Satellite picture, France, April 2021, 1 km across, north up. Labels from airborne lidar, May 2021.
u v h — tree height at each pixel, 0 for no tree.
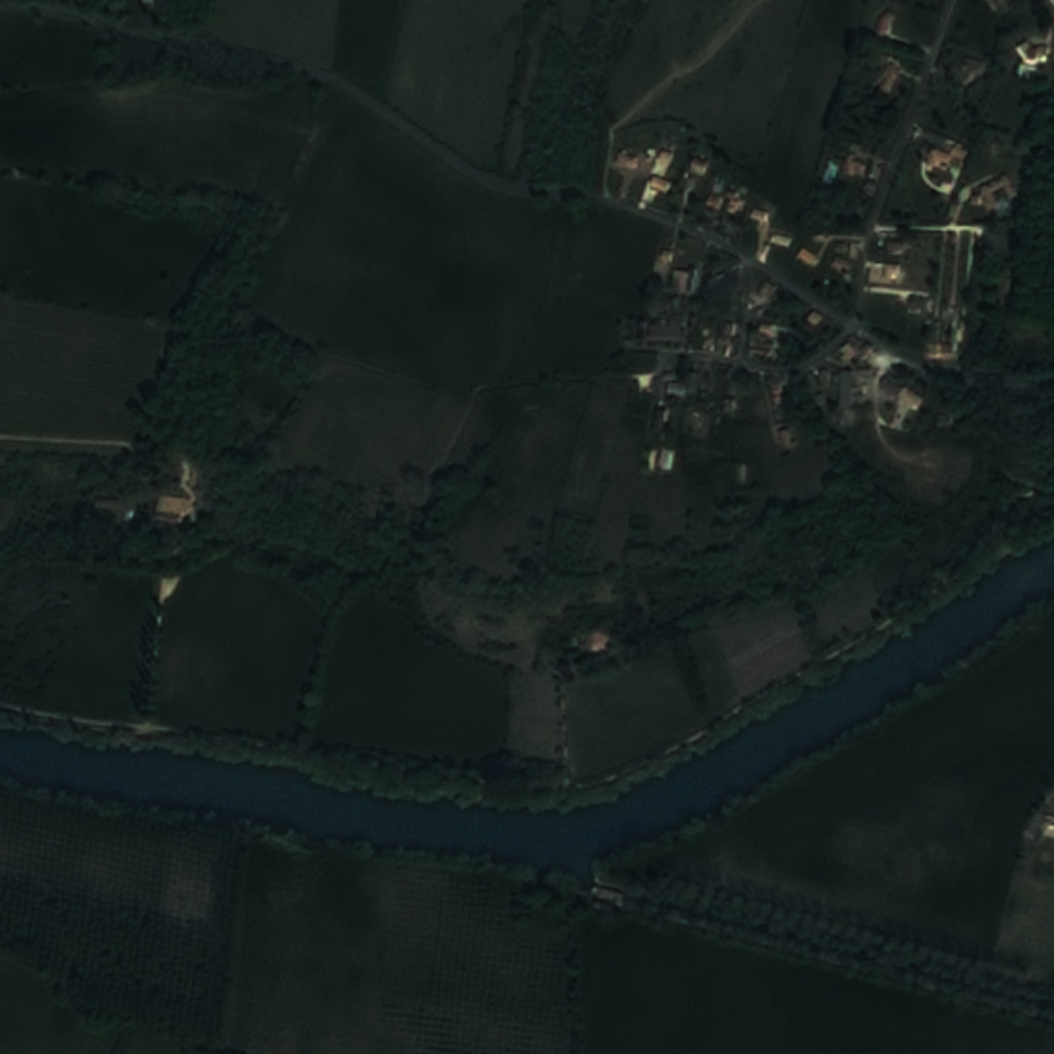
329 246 0
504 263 0
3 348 0
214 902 22
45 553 12
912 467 0
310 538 22
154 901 20
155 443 10
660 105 0
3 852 21
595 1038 0
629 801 0
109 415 0
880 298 0
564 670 7
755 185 0
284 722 0
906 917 0
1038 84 13
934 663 0
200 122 0
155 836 22
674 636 25
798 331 8
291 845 14
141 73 20
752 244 0
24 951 27
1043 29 9
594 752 0
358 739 0
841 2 0
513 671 11
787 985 0
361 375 0
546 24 0
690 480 0
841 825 0
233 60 21
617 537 0
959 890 0
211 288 21
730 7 0
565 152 12
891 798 0
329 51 0
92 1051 0
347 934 0
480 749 0
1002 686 0
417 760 9
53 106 0
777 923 17
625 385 0
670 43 0
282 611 0
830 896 0
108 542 30
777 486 0
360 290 0
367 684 0
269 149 0
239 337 22
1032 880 0
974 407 21
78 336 0
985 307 9
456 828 0
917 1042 0
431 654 0
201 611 0
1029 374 15
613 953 0
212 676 0
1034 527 17
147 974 21
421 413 0
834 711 0
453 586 19
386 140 0
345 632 0
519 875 9
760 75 0
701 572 7
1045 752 0
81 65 0
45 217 0
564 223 0
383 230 0
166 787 0
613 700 0
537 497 0
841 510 20
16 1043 0
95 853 21
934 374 15
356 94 0
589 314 0
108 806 16
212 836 23
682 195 7
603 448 0
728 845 0
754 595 9
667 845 18
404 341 0
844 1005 0
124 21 18
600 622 6
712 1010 0
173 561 12
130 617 0
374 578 15
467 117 0
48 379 0
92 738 9
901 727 0
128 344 0
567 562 8
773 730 0
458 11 0
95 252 0
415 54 0
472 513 0
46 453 6
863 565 15
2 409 0
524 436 0
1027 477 10
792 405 12
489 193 0
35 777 0
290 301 0
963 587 20
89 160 0
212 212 8
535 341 0
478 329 0
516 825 0
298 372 20
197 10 23
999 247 22
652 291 13
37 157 0
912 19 0
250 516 19
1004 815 0
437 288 0
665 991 0
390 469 0
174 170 0
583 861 0
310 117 0
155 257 0
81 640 0
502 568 0
